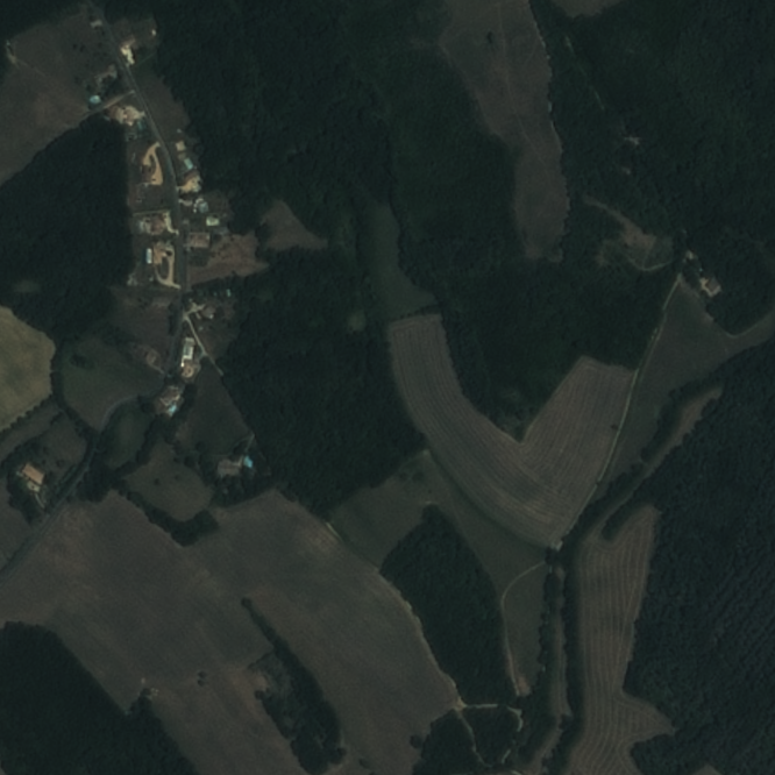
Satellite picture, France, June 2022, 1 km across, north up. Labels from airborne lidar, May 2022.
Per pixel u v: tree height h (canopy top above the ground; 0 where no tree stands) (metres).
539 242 0
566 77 18
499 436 0
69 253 19
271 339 11
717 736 22
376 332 8
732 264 20
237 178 16
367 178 18
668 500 15
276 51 29
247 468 12
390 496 0
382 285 0
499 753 11
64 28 0
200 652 0
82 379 0
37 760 10
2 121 0
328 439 18
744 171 18
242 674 0
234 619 0
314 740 9
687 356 0
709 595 17
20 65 0
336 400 17
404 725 0
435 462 0
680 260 9
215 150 19
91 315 8
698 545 23
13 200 23
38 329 8
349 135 27
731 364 17
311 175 22
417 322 0
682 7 7
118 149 18
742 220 26
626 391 0
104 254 16
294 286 23
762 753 19
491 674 17
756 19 21
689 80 15
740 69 26
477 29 0
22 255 17
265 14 16
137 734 16
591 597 0
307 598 0
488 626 18
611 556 0
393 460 13
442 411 0
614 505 0
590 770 0
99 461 18
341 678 0
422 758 8
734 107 16
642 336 17
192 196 8
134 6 19
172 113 0
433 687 0
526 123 0
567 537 9
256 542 0
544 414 0
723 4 23
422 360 0
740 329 11
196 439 0
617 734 0
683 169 20
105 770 15
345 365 13
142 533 0
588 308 15
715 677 18
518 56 0
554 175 0
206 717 0
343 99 9
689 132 6
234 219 7
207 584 0
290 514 0
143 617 0
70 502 13
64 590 0
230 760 0
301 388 13
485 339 6
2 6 9
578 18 9
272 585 0
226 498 10
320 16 14
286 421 15
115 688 0
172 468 0
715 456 24
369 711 0
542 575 0
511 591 0
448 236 6
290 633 0
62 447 0
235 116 18
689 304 0
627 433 0
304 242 0
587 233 22
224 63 22
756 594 18
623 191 22
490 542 0
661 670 21
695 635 16
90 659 0
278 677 7
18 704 12
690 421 0
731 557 24
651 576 10
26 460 13
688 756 18
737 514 19
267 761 0
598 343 17
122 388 0
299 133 22
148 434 14
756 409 18
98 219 18
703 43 17
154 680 0
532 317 11
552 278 13
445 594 13
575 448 0
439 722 9
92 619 0
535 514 0
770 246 14
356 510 0
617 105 7
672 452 9
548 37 15
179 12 21
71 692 11
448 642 11
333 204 20
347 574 0
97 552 0
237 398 18
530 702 18
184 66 19
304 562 0
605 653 0
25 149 0
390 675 0
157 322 0
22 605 0
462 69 0
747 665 19
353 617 0
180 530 11
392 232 0
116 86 12
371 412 16
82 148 19
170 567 0
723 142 17
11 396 0
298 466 20
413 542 19
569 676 11
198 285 7
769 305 19
